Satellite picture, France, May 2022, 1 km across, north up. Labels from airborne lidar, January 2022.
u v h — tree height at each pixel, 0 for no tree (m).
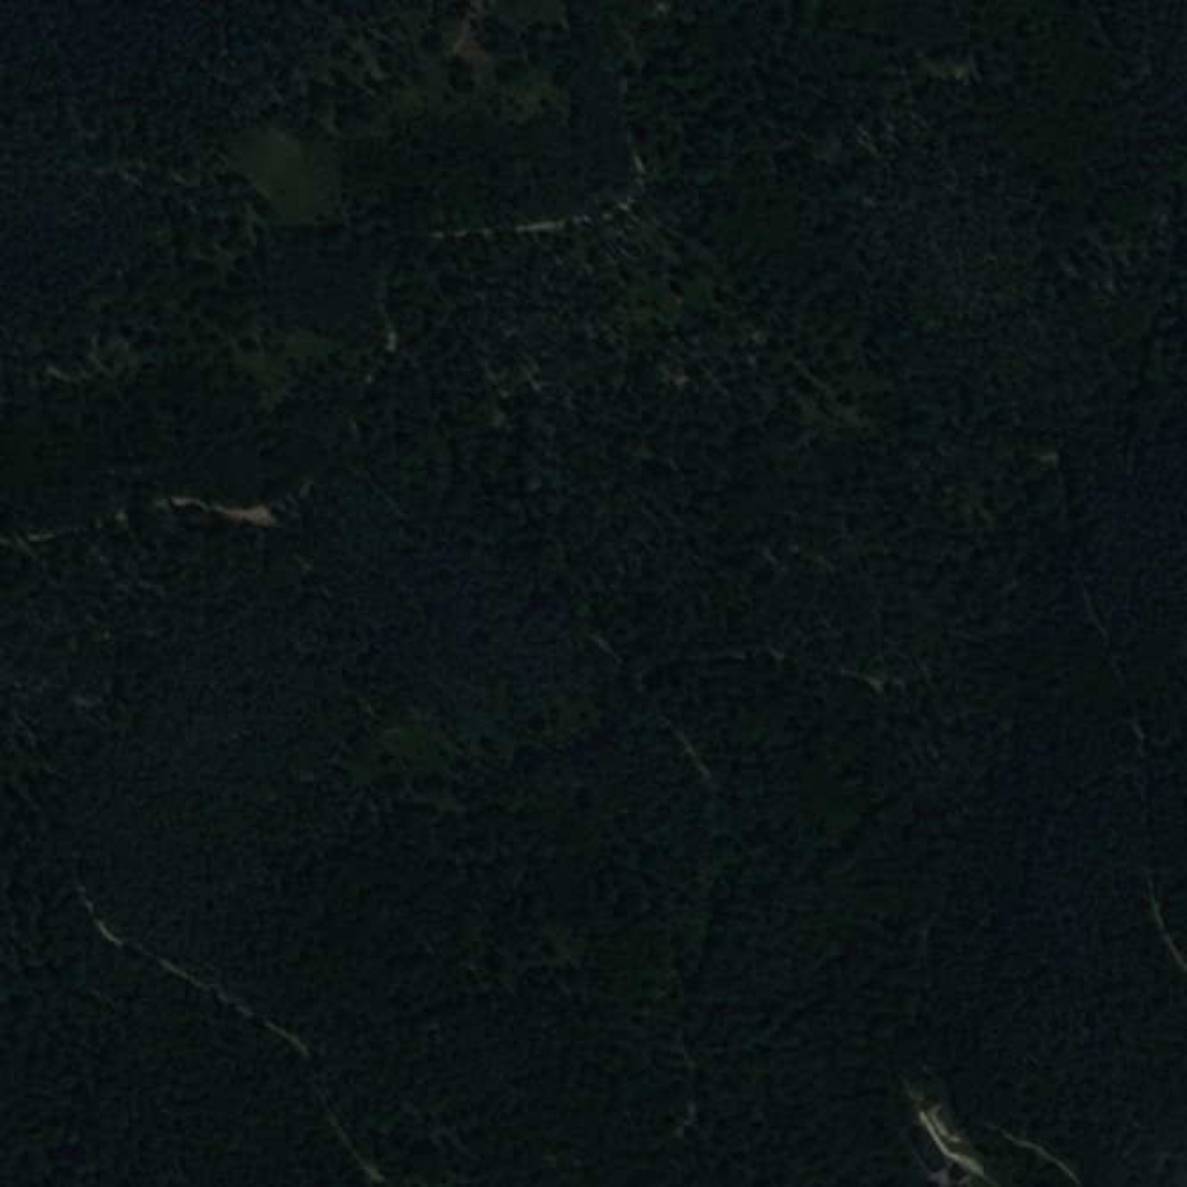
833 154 31
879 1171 18
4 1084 27
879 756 23
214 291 20
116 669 31
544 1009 19
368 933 22
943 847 26
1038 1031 19
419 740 0
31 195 16
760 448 23
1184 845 10
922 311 14
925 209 23
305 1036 23
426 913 26
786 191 22
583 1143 19
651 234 0
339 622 12
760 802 28
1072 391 24
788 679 25
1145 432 31
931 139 6
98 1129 32
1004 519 26
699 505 32
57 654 23
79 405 11
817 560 26
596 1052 22
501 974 26
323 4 9
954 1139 0
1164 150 34
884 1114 24
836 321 16
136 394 11
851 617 26
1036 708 20
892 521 25
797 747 29
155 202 23
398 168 14
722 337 30
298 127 22
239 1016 19
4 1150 32
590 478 28
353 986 24
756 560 24
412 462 27
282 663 21
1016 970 17
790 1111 21
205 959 20
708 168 23
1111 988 21
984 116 28
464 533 8
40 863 29
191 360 9
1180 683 10
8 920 22
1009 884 18
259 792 27
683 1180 22
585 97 15
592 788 26
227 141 18
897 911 34
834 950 17
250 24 12
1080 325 25
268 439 18
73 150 22
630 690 31
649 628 14
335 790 25
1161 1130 13
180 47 28
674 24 8
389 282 14
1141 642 20
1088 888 22
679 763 20
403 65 21
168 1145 26
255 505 7
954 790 28
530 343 31
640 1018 24
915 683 12
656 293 0
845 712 25
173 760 20
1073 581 32
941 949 21
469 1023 23
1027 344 24
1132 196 15
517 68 17
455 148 9
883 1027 28
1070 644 20
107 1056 26
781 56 9
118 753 24
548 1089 20
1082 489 29
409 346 13
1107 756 22
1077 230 10
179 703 22
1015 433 33
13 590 26
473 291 26
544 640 34
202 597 16
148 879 21
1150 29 29
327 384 25
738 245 15
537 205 13
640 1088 20
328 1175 17
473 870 29
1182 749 26
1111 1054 23
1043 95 14
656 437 30
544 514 31
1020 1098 20
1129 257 30
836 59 28
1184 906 18
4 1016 23
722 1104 23
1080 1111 17
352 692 21
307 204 0
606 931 10
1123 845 24
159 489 11
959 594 31
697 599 21
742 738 24
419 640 31
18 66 24
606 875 21
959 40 11
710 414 32
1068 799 16
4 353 12
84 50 30
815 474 26
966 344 20
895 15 11
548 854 13
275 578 20
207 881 20
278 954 25
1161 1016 19
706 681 37
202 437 11
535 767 29
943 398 36
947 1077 17
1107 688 15
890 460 8
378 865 19
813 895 25
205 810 21
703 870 23
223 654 19
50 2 33
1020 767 24
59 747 23
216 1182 19
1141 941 17
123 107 23
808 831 16
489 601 33
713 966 29
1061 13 12
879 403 11
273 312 19
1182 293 35
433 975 24
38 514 7
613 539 28
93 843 20
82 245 21
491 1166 21
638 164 12
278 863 24
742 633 18
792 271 15
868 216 31
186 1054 22
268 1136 21
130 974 22
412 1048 21
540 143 10
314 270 21
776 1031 33
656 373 25
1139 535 26
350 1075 18
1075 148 13
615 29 24
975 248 21
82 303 21
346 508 27
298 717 19
